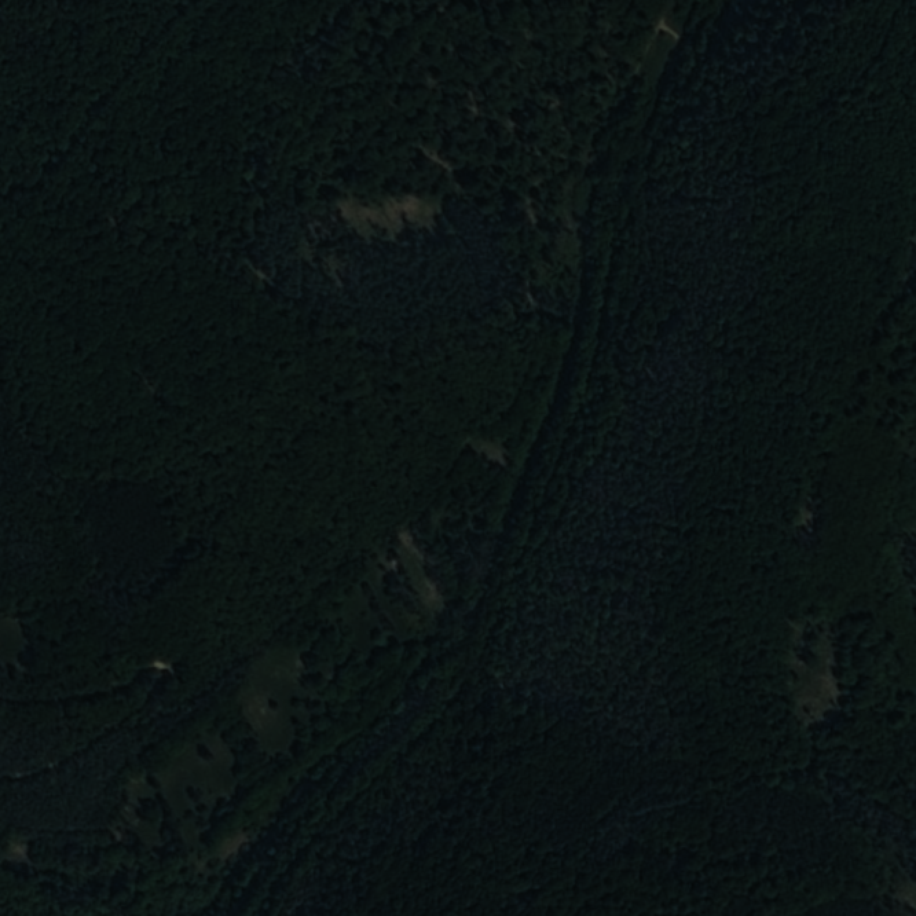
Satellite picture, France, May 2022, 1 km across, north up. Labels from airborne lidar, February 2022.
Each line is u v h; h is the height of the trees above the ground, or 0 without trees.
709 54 34
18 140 30
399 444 31
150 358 29
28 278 29
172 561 18
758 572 19
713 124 34
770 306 29
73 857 33
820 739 21
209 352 27
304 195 38
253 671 0
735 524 26
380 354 29
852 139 24
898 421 37
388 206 0
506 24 35
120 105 26
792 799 21
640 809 27
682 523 26
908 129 24
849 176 24
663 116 22
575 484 24
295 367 33
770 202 30
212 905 8
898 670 17
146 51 24
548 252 18
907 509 29
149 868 23
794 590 23
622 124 23
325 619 10
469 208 29
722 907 18
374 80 34
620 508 31
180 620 28
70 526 20
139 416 31
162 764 21
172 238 30
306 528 31
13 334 26
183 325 27
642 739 29
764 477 26
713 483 24
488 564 21
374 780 21
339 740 14
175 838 23
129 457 28
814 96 20
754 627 26
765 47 43
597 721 30
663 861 21
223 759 0
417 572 0
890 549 28
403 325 33
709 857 22
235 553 34
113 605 28
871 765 22
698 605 29
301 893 28
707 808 29
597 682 26
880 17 25
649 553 28
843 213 23
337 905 27
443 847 31
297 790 0
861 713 30
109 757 17
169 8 25
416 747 27
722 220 25
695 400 29
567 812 22
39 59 25
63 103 26
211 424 32
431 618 0
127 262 30
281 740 0
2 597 26
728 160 30
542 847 23
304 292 27
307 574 31
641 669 19
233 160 31
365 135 33
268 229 27
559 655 29
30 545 23
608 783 25
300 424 28
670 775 24
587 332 26
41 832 18
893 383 40
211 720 26
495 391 31
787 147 28
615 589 20
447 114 38
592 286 20
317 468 31
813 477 10
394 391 30
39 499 21
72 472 23
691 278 26
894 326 30
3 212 27
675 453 28
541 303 34
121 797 16
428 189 42
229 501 32
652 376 28
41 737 21
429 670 31
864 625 34
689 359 30
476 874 29
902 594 28
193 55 28
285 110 34
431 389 28
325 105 34
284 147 32
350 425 32
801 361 30
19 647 0
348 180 39
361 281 34
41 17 29
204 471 33
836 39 28
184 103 28
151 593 24
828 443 16
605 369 29
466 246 30
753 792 21
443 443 26
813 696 0
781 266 26
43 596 26
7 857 0
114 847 23
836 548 26
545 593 20
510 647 23
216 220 17
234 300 34
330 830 25
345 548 26
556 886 26
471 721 19
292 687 0
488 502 27
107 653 22
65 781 16
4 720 21
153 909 9
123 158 29
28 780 16
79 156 25
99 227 29
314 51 41
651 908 22
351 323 32
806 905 20
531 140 37
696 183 32
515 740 30
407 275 30
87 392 30
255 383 32
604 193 18
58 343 30
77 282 30
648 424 32
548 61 37
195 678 24
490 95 42
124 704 24
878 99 30
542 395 26
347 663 12
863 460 21
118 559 20
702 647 26
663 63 0
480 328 30
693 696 26
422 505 22
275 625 28
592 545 34
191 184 31
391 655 21
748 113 28
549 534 26
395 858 29
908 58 24
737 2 7
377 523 26
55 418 29
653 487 26
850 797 29
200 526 25
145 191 30
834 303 25
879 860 22
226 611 32
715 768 26
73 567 26
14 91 27
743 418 24
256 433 35
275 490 30
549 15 39
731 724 28
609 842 22
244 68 28
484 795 21
